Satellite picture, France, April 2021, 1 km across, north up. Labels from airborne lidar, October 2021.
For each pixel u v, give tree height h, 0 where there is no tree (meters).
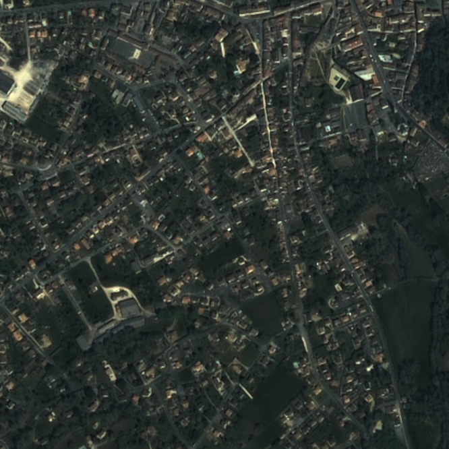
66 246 0
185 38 7
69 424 0
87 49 11
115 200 0
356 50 0
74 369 0
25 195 9
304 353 8
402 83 0
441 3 0
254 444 0
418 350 0
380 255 33
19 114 0
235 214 6
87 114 13
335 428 0
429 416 12
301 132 5
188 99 0
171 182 10
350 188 25
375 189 22
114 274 5
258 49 0
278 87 6
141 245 7
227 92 0
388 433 15
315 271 13
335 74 0
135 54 0
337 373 6
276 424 0
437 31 24
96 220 0
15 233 0
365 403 10
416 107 18
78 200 17
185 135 8
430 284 0
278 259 7
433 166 0
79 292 0
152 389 0
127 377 6
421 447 0
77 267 0
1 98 0
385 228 12
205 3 0
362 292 0
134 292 14
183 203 10
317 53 0
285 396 0
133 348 13
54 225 13
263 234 0
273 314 0
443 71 17
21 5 8
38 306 7
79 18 6
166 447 13
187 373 0
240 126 0
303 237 9
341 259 0
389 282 0
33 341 0
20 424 23
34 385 0
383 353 8
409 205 0
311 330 9
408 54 0
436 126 13
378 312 0
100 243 8
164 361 5
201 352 8
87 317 9
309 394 17
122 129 7
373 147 15
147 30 0
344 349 12
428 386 0
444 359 12
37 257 6
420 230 0
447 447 9
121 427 0
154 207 7
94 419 10
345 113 0
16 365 8
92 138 0
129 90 0
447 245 0
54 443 18
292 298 0
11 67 0
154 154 6
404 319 0
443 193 0
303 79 13
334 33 15
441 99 7
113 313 0
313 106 0
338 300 8
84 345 0
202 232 0
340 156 0
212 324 6
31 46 0
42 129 0
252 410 0
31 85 0
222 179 8
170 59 0
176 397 0
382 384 22
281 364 8
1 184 7
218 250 0
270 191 0
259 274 0
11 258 9
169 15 0
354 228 0
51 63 0
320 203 6
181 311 20
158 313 10
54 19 8
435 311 22
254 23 11
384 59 0
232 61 16
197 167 7
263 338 13
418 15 0
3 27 6
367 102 0
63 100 9
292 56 0
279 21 0
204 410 8
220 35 0
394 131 0
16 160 7
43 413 0
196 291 0
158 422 12
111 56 13
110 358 12
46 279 8
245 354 0
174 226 9
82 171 0
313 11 0
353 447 0
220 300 8
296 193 6
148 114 0
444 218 13
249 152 8
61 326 8
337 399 0
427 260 0
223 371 14
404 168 12
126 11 0
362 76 0
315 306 7
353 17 0
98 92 0
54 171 0
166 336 11
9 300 8
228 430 10
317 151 11
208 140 0
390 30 0
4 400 6
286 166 7
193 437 10
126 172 6
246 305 0
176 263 7
